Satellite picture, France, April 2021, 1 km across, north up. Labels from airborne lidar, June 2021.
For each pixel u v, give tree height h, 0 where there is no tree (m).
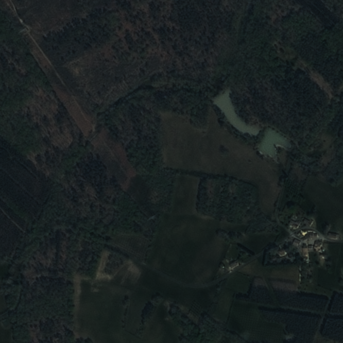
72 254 19
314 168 8
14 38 23
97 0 9
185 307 0
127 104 21
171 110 22
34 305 23
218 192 6
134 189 7
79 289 0
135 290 0
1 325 0
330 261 20
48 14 0
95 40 17
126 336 0
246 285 0
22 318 21
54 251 12
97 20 23
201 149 0
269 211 0
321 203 0
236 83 20
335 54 21
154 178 10
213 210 10
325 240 0
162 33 18
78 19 0
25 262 14
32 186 14
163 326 0
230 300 0
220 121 9
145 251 8
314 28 16
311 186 0
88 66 6
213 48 22
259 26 25
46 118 14
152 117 23
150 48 17
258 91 20
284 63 16
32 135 22
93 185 21
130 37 21
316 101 24
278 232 12
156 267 0
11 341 0
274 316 15
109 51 8
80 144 16
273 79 7
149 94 15
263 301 16
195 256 0
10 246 17
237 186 11
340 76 17
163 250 0
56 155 15
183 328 20
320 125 14
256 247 0
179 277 0
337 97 18
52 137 25
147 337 0
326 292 6
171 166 0
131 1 8
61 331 9
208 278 0
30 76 22
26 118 19
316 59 25
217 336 22
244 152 0
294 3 11
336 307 20
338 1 12
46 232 18
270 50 23
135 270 0
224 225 0
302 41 23
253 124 8
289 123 19
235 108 19
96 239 22
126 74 10
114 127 17
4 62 24
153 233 15
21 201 20
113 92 10
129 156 18
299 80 25
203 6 23
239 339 18
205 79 18
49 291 19
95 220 19
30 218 14
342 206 0
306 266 11
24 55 16
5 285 14
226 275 0
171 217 0
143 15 16
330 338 15
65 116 22
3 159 18
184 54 19
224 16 21
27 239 13
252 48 22
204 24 22
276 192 0
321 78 15
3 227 15
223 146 0
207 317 20
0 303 0
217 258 0
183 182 0
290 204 12
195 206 0
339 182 9
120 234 21
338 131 14
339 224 0
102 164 18
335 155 10
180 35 12
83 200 12
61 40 19
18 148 14
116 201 17
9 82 19
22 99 20
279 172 0
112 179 7
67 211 16
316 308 17
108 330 0
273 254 20
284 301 18
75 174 10
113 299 0
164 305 0
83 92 12
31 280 11
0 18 20
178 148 0
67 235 11
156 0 19
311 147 10
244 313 7
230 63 19
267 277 0
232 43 15
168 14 11
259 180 0
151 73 8
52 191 14
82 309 0
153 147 19
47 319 17
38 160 13
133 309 0
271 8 17
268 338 11
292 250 8
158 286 0
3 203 15
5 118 17
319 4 9
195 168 0
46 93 16
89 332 0
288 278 0
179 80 31
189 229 0
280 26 19
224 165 0
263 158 10
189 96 20
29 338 21
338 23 22
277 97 14
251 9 12
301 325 18
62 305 17
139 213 20
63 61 17
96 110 17
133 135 11
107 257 0
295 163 14
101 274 0
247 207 5
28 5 0
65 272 17
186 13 18
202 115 25
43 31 0
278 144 0
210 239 0
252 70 18
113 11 9
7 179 18
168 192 9
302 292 0
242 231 0
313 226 0
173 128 0
